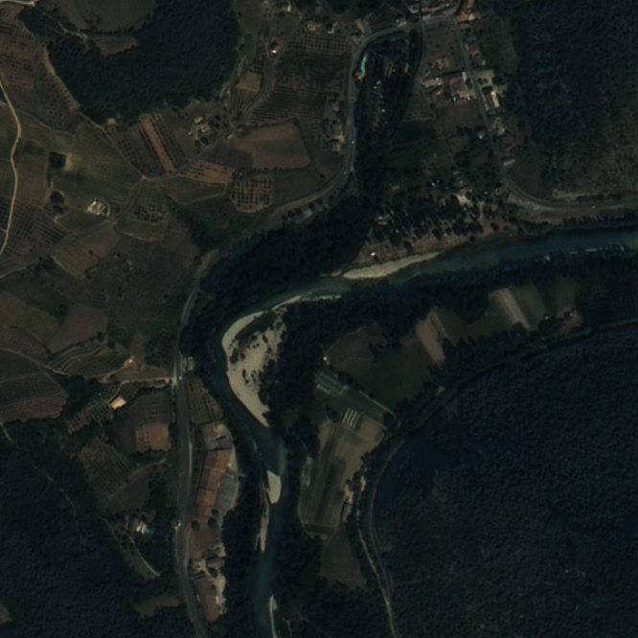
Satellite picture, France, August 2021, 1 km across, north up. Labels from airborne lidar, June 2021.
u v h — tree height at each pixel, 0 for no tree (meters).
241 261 22
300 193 0
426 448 12
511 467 12
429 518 7
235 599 21
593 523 8
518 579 8
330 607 27
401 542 7
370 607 7
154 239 0
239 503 6
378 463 9
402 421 17
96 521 14
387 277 0
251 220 7
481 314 11
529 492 15
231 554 19
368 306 17
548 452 9
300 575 17
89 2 0
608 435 6
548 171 7
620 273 34
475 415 9
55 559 12
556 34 7
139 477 0
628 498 8
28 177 0
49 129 0
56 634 14
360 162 12
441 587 6
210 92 11
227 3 9
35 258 0
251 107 0
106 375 0
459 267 0
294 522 20
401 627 6
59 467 10
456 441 12
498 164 11
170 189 0
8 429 9
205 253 10
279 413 16
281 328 0
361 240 16
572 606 7
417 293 30
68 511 9
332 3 26
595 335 15
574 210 0
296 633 7
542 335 11
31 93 0
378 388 0
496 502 7
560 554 8
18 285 0
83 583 16
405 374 0
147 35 11
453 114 0
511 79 11
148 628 14
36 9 7
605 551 9
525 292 0
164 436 0
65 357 0
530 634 8
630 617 6
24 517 16
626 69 7
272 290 18
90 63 8
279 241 25
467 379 8
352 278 0
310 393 15
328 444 0
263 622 0
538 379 9
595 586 7
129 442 0
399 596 6
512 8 9
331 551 0
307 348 30
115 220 0
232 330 0
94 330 0
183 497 0
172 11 13
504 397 12
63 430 14
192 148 0
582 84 9
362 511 9
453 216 16
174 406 9
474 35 6
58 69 11
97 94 6
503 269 13
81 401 12
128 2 0
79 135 0
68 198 0
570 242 0
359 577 0
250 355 0
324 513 0
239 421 8
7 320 0
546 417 6
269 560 0
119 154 0
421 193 11
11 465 12
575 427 9
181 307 9
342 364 0
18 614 16
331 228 16
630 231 0
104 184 0
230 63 8
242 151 0
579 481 9
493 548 9
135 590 9
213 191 0
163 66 12
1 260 0
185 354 16
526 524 9
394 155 6
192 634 17
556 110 7
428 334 0
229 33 10
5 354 0
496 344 7
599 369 8
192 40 9
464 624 8
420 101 0
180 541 0
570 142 7
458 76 0
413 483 10
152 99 10
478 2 6
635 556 9
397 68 9
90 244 0
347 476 0
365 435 0
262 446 0
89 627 11
